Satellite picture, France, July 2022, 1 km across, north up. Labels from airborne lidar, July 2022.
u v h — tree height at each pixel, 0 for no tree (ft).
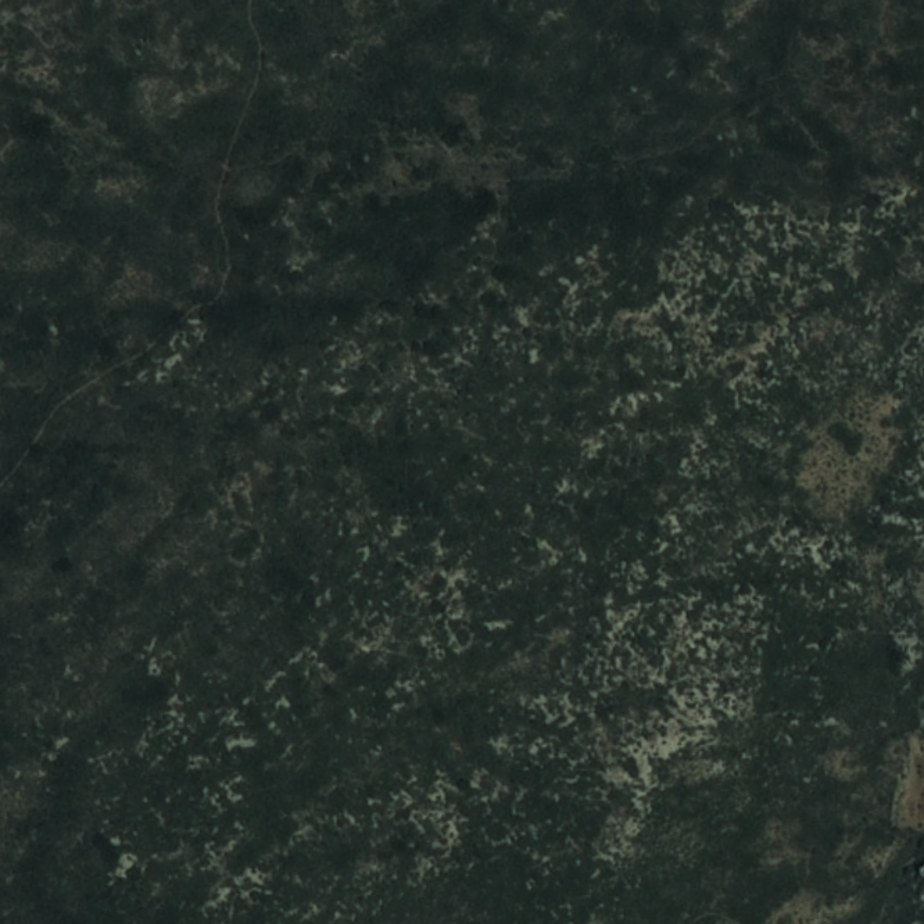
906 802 0
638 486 20
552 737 0
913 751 0
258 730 0
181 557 0
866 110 0
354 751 0
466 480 0
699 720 0
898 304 0
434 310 23
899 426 0
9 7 0
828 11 0
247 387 0
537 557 0
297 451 0
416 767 0
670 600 0
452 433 0
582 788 0
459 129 22
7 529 18
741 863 0
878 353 0
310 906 0
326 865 0
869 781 0
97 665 0
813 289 0
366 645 0
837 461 0
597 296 0
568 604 0
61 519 17
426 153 0
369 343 0
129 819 0
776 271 0
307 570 0
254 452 0
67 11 0
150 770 0
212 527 0
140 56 0
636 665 0
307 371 0
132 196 0
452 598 0
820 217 0
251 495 0
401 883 0
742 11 0
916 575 0
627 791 0
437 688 0
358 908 0
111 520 0
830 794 17
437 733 0
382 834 0
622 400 0
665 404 0
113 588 0
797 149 19
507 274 21
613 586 0
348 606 0
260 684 0
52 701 0
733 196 0
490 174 0
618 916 0
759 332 0
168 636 0
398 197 20
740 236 0
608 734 0
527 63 0
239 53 0
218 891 0
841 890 0
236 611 0
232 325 18
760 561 0
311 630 0
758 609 0
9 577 0
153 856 0
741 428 0
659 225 17
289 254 0
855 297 0
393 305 19
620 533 0
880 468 0
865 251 0
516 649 0
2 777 0
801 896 0
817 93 0
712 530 0
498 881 0
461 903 0
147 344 0
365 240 17
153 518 0
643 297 0
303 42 0
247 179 0
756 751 0
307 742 0
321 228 18
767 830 0
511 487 0
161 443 0
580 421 0
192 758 0
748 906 0
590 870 0
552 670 0
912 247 0
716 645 0
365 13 0
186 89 0
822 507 0
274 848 0
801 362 0
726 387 0
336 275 0
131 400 0
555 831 0
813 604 0
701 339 0
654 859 0
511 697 0
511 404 0
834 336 0
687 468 0
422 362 0
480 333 0
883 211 0
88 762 0
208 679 0
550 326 0
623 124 0
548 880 0
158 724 19
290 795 0
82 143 0
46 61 0
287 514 0
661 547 0
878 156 0
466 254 20
